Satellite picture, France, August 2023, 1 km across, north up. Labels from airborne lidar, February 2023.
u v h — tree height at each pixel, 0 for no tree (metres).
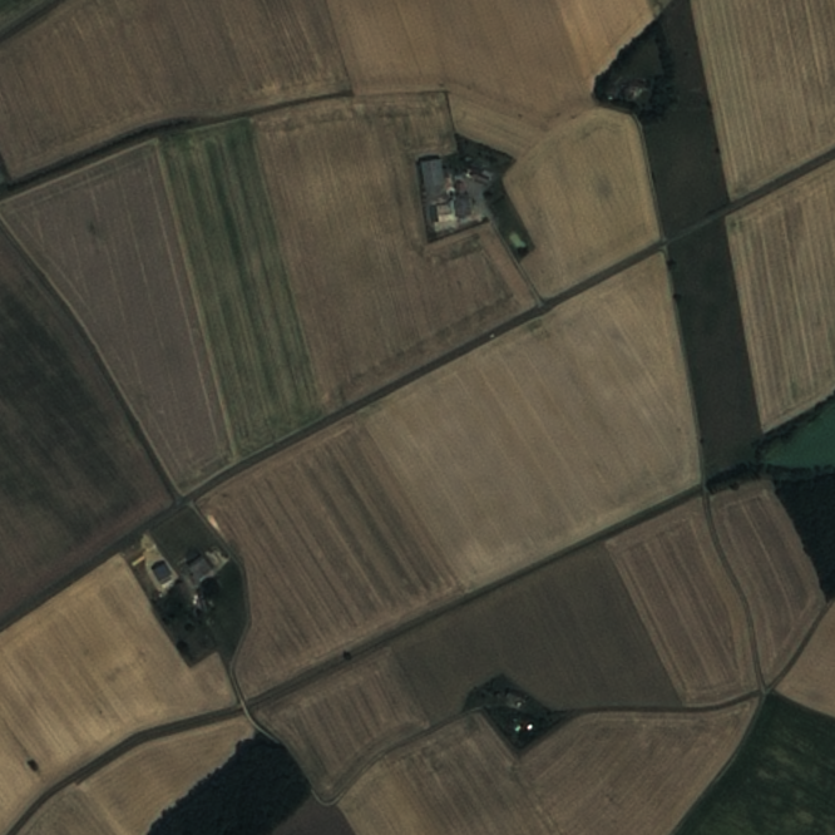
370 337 0
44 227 0
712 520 0
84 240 0
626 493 0
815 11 0
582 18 0
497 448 0
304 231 0
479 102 0
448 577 0
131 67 0
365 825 0
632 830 0
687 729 0
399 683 0
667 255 0
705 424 0
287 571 0
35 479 0
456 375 0
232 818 24
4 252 0
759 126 0
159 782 0
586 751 0
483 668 0
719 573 0
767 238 0
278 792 17
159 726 0
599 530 0
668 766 0
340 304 0
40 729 0
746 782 0
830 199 0
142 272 0
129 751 0
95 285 0
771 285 0
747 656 0
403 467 0
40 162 0
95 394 0
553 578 0
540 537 0
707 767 0
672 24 0
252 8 0
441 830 0
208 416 0
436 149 0
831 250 0
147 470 0
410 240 0
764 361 0
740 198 0
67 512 0
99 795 0
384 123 0
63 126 0
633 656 0
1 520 0
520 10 0
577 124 0
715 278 0
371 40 0
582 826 0
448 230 0
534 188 0
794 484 7
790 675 0
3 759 0
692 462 0
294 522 0
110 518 0
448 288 0
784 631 0
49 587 0
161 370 0
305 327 0
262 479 0
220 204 0
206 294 0
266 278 0
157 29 0
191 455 0
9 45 0
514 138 0
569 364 0
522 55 0
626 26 0
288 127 0
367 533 0
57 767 0
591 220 0
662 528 0
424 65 0
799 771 0
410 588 0
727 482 19
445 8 0
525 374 0
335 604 0
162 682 0
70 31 0
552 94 0
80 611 0
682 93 0
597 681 0
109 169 0
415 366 0
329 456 0
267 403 0
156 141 0
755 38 0
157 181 0
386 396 0
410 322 0
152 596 0
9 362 0
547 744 0
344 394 0
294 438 0
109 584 0
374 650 0
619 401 0
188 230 0
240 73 0
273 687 0
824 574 9
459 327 0
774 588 0
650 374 0
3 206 0
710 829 0
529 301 0
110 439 0
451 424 0
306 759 0
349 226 0
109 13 0
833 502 9
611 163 0
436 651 0
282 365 0
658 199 0
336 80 0
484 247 0
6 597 0
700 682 0
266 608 0
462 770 0
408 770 0
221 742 0
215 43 0
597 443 0
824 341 0
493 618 0
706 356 0
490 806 0
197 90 0
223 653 0
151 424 0
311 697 0
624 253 0
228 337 0
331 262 0
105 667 0
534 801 0
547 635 0
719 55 0
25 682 0
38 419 0
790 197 0
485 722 0
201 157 0
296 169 0
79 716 0
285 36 0
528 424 0
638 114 11
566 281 0
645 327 0
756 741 0
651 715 0
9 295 0
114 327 0
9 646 0
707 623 0
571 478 0
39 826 0
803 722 0
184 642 6
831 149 0
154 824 0
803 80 0
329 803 0
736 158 0
